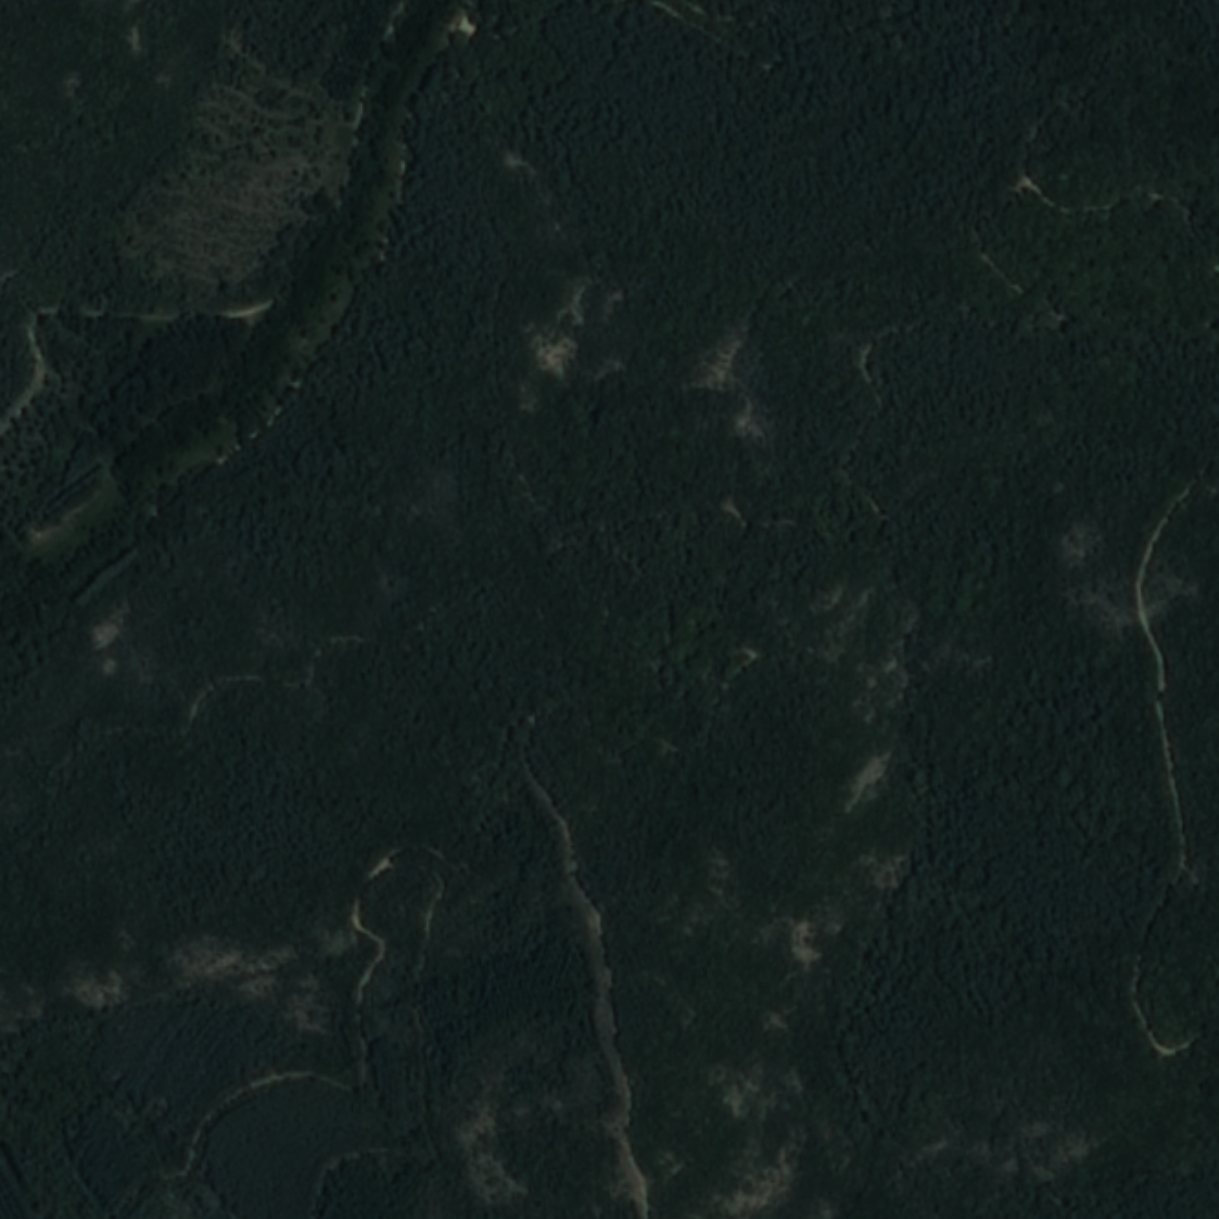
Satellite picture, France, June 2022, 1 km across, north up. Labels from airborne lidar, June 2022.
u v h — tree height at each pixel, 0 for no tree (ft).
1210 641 22
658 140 41
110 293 56
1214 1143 41
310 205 46
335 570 46
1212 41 31
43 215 26
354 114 34
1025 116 44
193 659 22
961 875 56
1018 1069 17
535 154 24
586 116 46
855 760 24
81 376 46
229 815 33
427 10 53
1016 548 35
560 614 20
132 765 42
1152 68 40
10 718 20
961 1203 18
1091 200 30
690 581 57
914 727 51
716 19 32
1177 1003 26
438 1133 20
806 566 49
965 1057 20
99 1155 55
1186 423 61
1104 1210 60
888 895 26
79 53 20
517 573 24
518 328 25
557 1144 32
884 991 67
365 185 49
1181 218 35
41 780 20
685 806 29
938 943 49
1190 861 19
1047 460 25
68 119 27
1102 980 29
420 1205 19
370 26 35
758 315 36
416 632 26
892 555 21
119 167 22
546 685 53
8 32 33
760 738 31
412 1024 30
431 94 55
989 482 35
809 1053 37
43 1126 26
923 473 20
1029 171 26
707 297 20
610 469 26
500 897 42
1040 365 48
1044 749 43
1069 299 47
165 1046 33
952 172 25
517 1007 55
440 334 53
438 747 49
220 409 49
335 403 37
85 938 32
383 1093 34
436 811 22
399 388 24
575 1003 39
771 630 20
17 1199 42
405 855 36
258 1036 24
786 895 24
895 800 36
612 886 32
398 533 18
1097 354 41
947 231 19
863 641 26
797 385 27
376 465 33
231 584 21
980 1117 21
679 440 32
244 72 33
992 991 50
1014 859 57
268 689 22
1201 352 64
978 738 23
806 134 29
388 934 26
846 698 20
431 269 28
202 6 20
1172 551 20
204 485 47
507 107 36
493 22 28
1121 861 42
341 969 21
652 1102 18
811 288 33
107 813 18
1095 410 27
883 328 31
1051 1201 40
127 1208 28
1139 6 44
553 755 40
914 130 47
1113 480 23
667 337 30
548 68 40
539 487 19
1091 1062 20
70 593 36
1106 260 43
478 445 19
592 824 19
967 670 21
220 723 18
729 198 45
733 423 24
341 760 19
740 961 21
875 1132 19
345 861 32
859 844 22
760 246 39
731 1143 23
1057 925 50
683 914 20
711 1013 18
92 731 18
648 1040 20
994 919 42
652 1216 28
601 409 20
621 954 19
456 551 25
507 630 29
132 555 66
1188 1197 59
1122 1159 28
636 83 55
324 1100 29
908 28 32
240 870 35
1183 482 26
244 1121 26
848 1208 28
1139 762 27
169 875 43
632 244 38
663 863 38
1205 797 31
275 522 49
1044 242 29
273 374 28
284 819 38
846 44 34
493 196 45
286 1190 35
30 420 47
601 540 47
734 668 29
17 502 59
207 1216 34
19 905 22
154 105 21
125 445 44
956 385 50
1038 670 24
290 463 29
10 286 35
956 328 47
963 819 65
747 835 26
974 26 45
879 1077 33
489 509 29
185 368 69
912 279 34
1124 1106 20
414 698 48
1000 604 25
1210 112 39
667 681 36
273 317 44
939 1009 41
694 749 27
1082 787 40
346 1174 40
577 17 62
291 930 30
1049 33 67
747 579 29
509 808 31
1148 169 27
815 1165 20
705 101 56
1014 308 51
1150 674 32
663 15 64
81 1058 25
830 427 39
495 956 21
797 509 35
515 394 18
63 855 18
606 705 24
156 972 18
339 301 25
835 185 47
